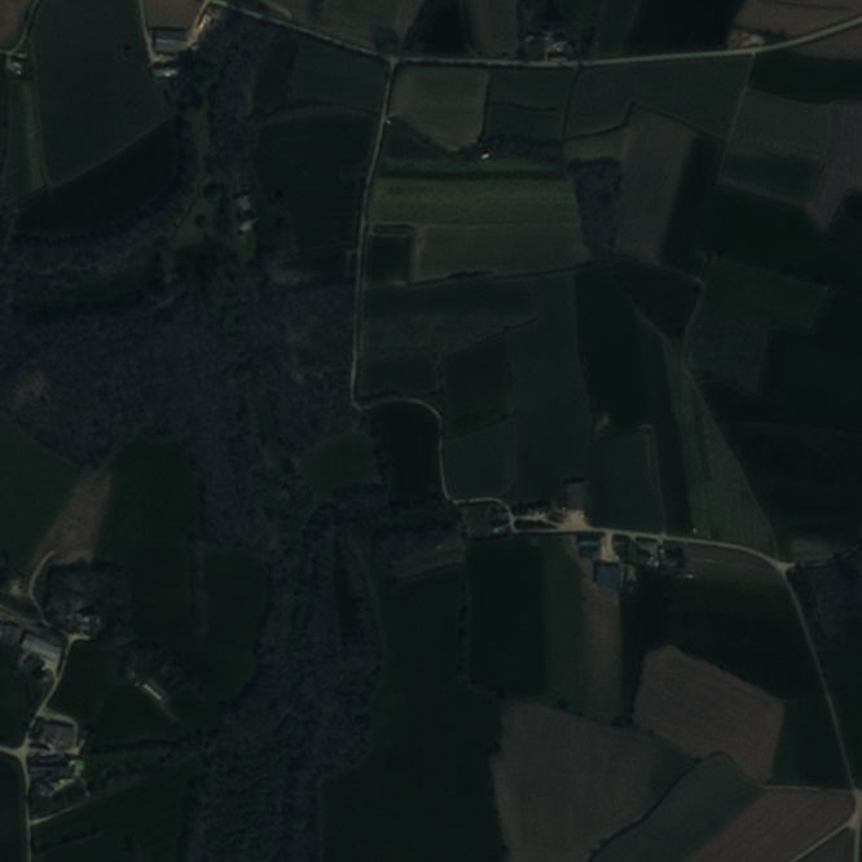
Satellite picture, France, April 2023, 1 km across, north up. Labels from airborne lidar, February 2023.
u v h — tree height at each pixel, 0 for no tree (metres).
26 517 0
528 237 0
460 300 0
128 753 7
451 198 0
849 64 0
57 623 5
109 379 18
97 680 0
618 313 0
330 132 0
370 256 0
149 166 0
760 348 0
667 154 0
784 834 0
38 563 0
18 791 0
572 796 0
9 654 0
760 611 0
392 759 0
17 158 0
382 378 0
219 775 8
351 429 14
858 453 0
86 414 18
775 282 0
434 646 0
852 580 17
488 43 0
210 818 9
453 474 0
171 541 0
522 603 0
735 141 0
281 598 16
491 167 0
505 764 0
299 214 0
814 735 0
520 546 0
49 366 23
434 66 5
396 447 0
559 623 0
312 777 23
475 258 0
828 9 0
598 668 0
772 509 0
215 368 20
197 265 0
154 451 0
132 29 0
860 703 0
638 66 0
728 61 0
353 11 0
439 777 0
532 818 0
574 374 0
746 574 0
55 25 0
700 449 0
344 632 0
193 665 0
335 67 0
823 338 0
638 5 0
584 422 0
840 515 0
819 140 0
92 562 0
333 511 10
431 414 0
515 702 0
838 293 0
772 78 0
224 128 17
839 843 0
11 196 0
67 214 0
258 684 16
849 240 0
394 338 0
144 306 18
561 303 0
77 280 17
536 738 0
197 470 18
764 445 0
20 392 19
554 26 19
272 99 0
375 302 0
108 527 0
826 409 0
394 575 8
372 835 0
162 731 0
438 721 0
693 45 0
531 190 0
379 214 0
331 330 12
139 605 0
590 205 19
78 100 0
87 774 0
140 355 21
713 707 0
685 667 0
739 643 0
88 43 0
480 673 0
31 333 23
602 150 0
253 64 14
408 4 0
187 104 17
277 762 7
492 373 0
